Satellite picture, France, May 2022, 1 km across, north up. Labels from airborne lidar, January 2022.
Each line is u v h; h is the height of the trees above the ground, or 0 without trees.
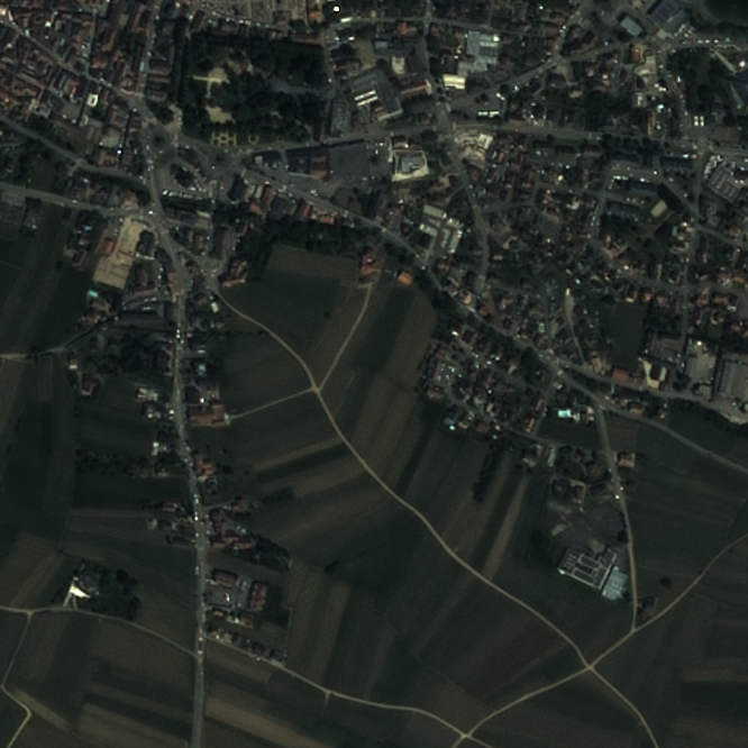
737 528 0
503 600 0
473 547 0
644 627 0
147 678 0
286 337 0
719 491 0
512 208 0
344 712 0
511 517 0
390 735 0
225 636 0
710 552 0
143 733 0
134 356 11
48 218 0
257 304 0
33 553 0
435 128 0
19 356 0
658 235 7
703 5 0
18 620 0
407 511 0
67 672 0
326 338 0
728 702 0
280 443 0
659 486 0
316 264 0
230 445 0
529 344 0
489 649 0
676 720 0
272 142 0
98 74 0
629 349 0
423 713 0
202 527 0
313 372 0
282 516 0
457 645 0
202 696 0
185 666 0
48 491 0
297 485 0
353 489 0
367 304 0
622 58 0
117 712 0
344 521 0
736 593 0
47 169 0
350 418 0
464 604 0
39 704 0
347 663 0
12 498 0
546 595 0
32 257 0
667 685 0
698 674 0
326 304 0
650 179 0
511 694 0
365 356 0
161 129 0
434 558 0
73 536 0
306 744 0
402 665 0
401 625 0
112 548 0
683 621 0
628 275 0
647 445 0
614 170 0
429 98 9
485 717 0
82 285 0
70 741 0
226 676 0
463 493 0
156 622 0
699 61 13
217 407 0
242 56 14
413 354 0
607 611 0
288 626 0
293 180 0
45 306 0
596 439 0
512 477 0
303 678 0
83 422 0
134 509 0
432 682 0
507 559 0
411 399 0
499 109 0
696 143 0
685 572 0
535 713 0
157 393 0
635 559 0
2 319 0
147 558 0
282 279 0
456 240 0
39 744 0
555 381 0
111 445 0
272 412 0
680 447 0
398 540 0
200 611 0
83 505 0
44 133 10
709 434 0
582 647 0
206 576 0
